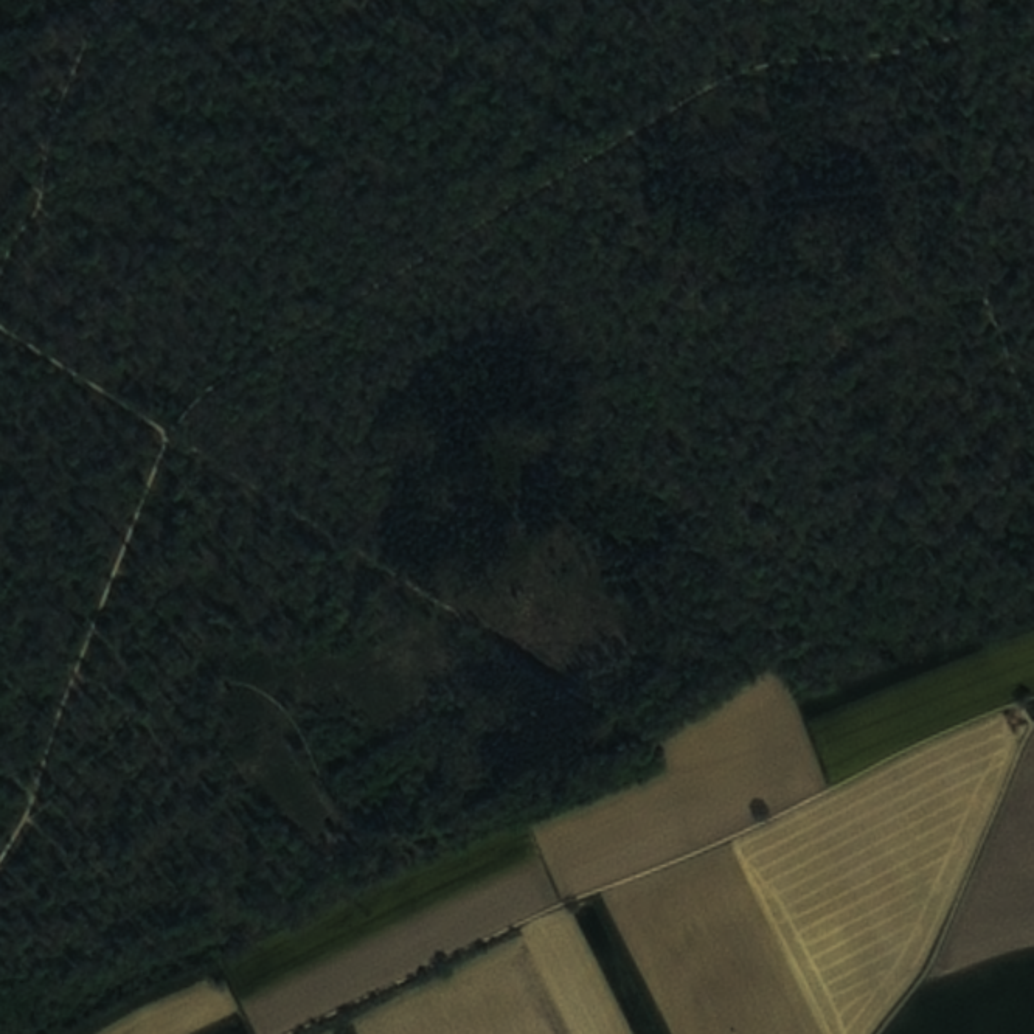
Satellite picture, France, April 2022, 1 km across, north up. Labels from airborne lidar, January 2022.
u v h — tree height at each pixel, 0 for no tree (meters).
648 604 18
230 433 31
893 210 27
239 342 32
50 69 36
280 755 0
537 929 0
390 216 28
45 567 38
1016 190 34
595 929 0
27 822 0
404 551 32
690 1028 0
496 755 27
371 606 38
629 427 26
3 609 36
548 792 28
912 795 0
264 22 7
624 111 35
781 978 0
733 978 0
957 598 33
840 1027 0
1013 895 0
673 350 31
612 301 31
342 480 32
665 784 0
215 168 30
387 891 0
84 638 31
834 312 32
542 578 0
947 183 35
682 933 0
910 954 0
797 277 24
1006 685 0
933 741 0
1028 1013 0
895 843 0
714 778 0
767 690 0
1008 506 39
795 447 33
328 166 35
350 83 34
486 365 33
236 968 0
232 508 36
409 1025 0
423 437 29
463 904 0
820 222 27
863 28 29
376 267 30
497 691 24
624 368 29
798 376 20
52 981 32
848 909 0
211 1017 0
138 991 6
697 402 29
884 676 0
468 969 0
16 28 29
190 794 37
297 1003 0
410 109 33
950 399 11
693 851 0
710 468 30
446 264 28
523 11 38
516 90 34
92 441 39
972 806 0
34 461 36
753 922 0
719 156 30
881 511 32
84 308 35
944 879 0
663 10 33
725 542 25
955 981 0
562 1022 0
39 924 34
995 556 34
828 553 34
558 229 29
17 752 37
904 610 34
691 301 32
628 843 0
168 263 32
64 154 36
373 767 24
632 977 0
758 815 15
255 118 34
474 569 29
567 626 0
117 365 33
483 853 0
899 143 29
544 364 29
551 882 0
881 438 28
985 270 31
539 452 27
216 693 34
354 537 31
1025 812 0
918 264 27
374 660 0
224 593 10
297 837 30
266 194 30
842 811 0
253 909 31
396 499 30
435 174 30
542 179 27
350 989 0
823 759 0
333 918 0
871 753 0
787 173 38
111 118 33
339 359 27
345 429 32
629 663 27
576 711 25
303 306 33
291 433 32
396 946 0
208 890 35
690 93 8
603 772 25
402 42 34
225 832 38
